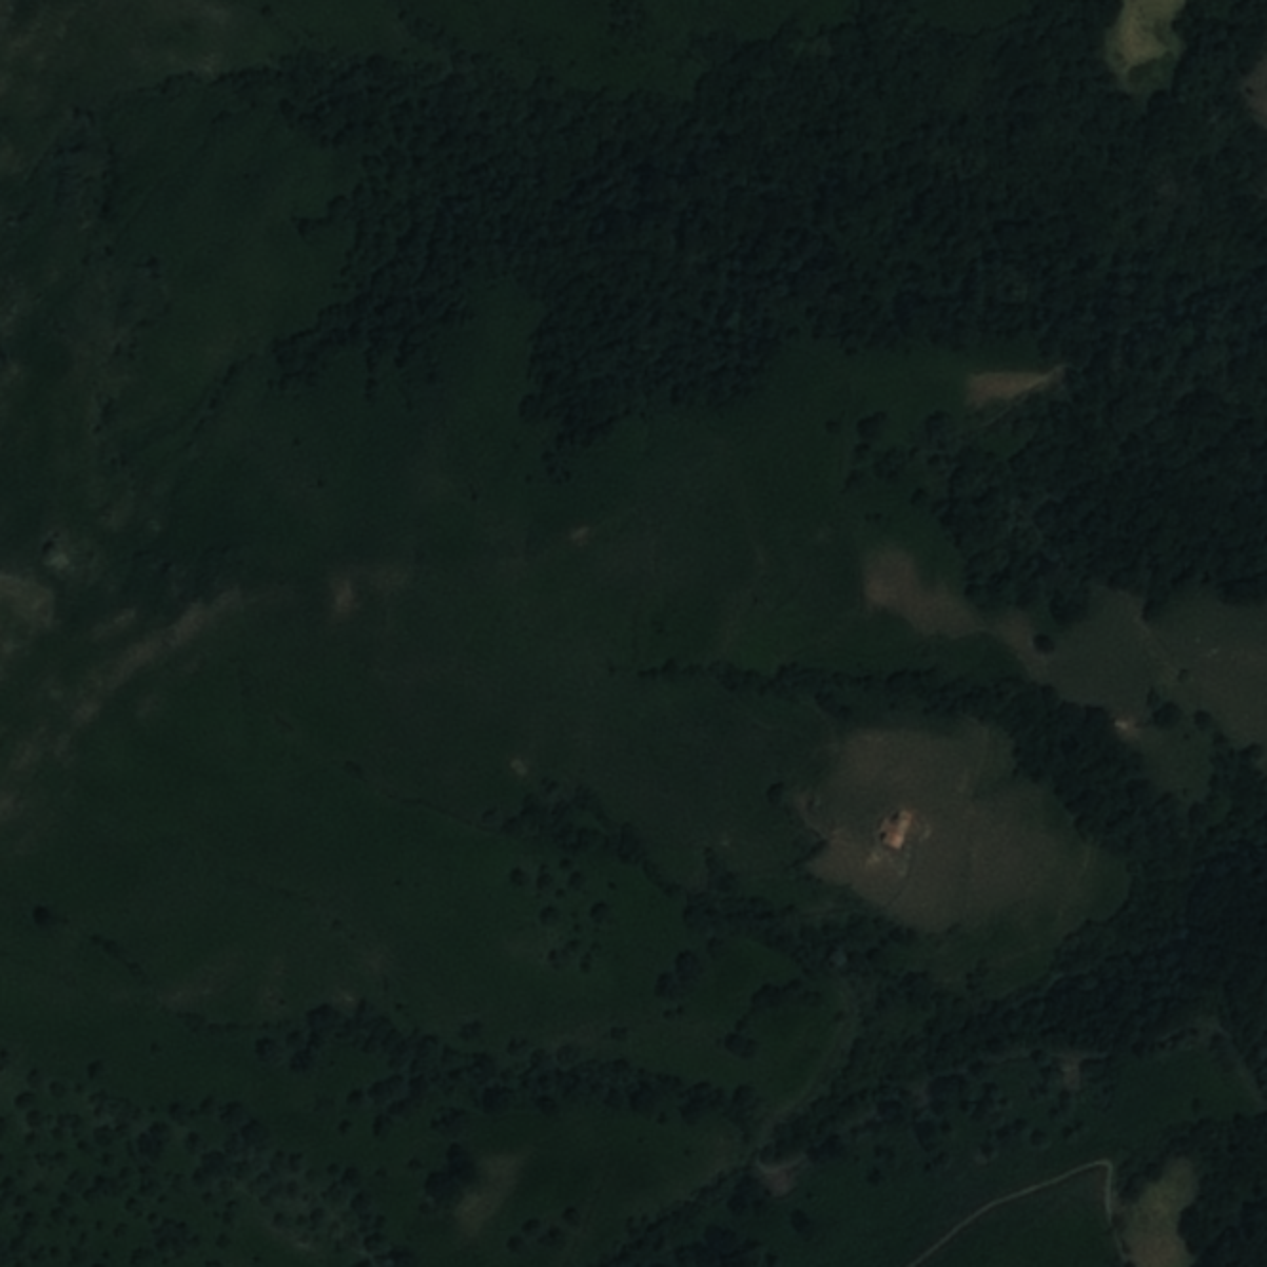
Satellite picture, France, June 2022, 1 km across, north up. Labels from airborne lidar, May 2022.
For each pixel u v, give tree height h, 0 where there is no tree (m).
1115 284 22
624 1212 0
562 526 0
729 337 18
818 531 0
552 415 9
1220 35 16
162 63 0
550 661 0
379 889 0
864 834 0
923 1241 0
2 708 0
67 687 0
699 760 0
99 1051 0
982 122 6
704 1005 0
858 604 0
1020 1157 0
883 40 14
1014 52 17
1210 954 31
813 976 13
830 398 0
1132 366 16
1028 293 15
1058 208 8
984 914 0
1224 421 21
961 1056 10
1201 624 0
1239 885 31
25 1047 0
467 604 0
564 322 17
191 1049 0
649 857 6
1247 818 19
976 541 18
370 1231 10
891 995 13
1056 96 20
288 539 0
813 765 0
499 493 0
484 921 0
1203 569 18
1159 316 16
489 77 13
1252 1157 10
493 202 21
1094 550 22
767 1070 0
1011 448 0
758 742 0
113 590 0
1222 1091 0
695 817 0
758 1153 9
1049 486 20
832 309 11
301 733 0
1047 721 23
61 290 0
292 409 0
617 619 0
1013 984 0
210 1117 10
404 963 0
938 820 0
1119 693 0
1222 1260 22
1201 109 12
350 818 0
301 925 0
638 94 7
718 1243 19
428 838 0
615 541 0
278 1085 0
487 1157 0
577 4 0
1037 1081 0
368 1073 0
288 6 0
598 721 0
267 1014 0
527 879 11
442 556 0
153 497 0
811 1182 0
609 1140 0
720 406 11
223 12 0
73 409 0
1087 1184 0
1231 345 15
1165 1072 0
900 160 21
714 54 9
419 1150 0
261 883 0
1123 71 0
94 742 0
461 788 0
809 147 17
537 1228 18
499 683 0
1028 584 20
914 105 9
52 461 0
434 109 11
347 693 0
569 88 7
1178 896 17
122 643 0
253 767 0
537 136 30
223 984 0
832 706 11
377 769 0
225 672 0
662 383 13
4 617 0
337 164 0
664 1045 0
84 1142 7
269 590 0
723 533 0
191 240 0
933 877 0
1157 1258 0
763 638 0
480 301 0
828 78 13
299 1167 15
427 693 0
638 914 0
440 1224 0
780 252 21
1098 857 0
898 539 0
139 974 8
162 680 0
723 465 0
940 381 0
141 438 0
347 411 0
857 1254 0
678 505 0
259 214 0
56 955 0
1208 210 14
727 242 12
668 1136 0
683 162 7
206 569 0
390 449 0
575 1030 0
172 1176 8
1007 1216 0
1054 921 0
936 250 13
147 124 0
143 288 0
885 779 0
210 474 0
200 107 0
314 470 0
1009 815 0
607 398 22
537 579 0
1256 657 0
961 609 0
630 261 24
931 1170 10
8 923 0
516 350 0
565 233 19
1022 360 0
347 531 0
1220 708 0
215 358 0
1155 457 12
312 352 9
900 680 17
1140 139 15
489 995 0
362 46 0
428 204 26
